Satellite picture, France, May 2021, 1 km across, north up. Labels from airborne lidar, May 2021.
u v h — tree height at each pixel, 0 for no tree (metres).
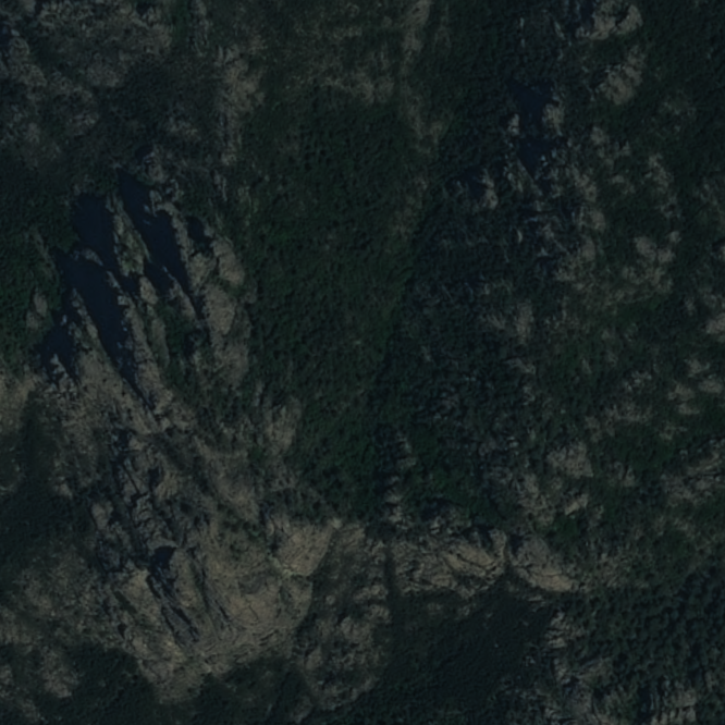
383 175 21
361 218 8
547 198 8
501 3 18
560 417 7
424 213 13
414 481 12
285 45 7
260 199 6
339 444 7
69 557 0
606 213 10
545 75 7
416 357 9
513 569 8
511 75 10
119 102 9
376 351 8
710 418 14
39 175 11
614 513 9
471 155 9
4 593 11
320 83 19
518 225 10
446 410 14
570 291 6
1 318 14
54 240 7
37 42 18
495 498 21
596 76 9
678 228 16
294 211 7
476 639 8
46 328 9
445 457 13
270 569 8
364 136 16
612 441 12
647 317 6
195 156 12
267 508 8
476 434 18
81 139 12
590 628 17
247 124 8
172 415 11
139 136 6
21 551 8
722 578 9
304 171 9
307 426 8
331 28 7
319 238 6
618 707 23
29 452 11
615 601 29
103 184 7
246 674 10
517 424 16
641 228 14
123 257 7
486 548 10
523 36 9
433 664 12
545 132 7
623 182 7
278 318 9
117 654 10
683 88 9
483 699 12
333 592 0
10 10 6
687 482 8
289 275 15
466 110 23
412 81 10
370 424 9
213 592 0
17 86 16
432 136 11
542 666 6
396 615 9
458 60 18
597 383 6
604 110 13
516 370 11
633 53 7
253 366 12
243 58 9
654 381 9
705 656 28
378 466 8
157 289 21
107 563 6
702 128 14
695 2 7
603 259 7
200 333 16
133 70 7
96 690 14
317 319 15
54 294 10
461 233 6
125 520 22
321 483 20
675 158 15
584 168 12
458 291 17
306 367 24
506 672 13
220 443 20
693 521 10
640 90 11
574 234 9
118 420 9
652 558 12
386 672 11
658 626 27
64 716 12
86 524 11
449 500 8
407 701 12
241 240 8
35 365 9
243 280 10
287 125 7
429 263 14
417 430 15
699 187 7
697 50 6
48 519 12
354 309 12
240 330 11
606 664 14
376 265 13
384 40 9
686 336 6
